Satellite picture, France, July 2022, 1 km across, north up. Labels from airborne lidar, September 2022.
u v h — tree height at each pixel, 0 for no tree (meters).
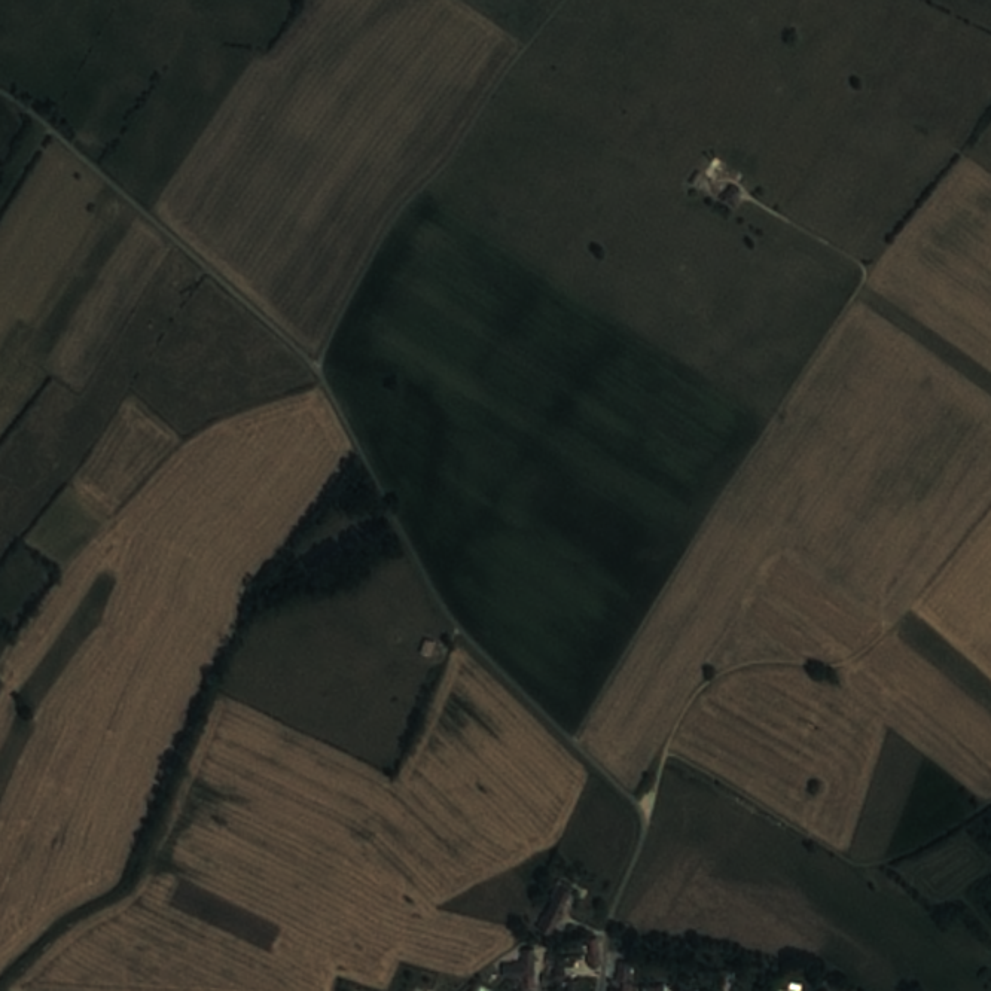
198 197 0
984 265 0
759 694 0
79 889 0
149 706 0
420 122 0
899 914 0
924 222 0
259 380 0
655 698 0
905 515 0
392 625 0
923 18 0
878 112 0
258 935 0
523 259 0
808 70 0
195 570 0
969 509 0
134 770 0
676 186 0
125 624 0
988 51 0
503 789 0
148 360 0
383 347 0
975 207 0
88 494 0
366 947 0
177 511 0
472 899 0
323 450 0
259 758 0
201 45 0
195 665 0
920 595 0
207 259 0
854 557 0
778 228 0
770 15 0
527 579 0
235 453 0
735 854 0
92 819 0
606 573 0
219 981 0
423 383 0
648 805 0
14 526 0
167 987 0
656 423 0
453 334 0
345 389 0
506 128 0
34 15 0
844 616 0
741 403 0
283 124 0
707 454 0
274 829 0
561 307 0
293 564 10
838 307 0
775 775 0
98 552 0
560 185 0
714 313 0
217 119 0
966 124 0
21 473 0
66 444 0
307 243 0
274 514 0
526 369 0
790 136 0
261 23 0
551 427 0
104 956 0
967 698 0
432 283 0
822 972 17
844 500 0
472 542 0
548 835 0
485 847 0
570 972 0
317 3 0
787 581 0
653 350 0
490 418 0
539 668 0
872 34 0
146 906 0
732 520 0
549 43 0
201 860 0
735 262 0
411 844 0
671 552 0
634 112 0
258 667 0
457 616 0
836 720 0
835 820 0
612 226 0
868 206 0
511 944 0
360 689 0
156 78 6
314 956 0
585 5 0
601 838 0
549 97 0
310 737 0
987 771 0
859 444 0
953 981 0
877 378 0
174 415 0
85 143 0
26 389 0
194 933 0
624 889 0
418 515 0
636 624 0
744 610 0
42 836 0
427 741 0
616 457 0
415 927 0
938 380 0
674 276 0
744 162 0
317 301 0
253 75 0
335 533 0
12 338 0
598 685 0
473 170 0
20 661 0
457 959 0
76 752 0
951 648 0
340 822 0
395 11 0
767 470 0
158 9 0
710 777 0
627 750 0
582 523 0
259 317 0
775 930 0
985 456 0
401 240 0
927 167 0
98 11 0
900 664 0
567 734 0
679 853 0
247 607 11
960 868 0
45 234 0
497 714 0
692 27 0
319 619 0
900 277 0
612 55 0
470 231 0
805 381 0
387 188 0
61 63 0
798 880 0
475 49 0
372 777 0
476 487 0
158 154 0
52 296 0
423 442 0
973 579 0
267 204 0
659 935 10
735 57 0
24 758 0
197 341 0
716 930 0
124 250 0
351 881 0
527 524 0
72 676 0
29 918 0
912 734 0
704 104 0
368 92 0
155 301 0
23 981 0
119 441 0
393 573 0
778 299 0
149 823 15
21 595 0
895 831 0
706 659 0
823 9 0
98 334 0
